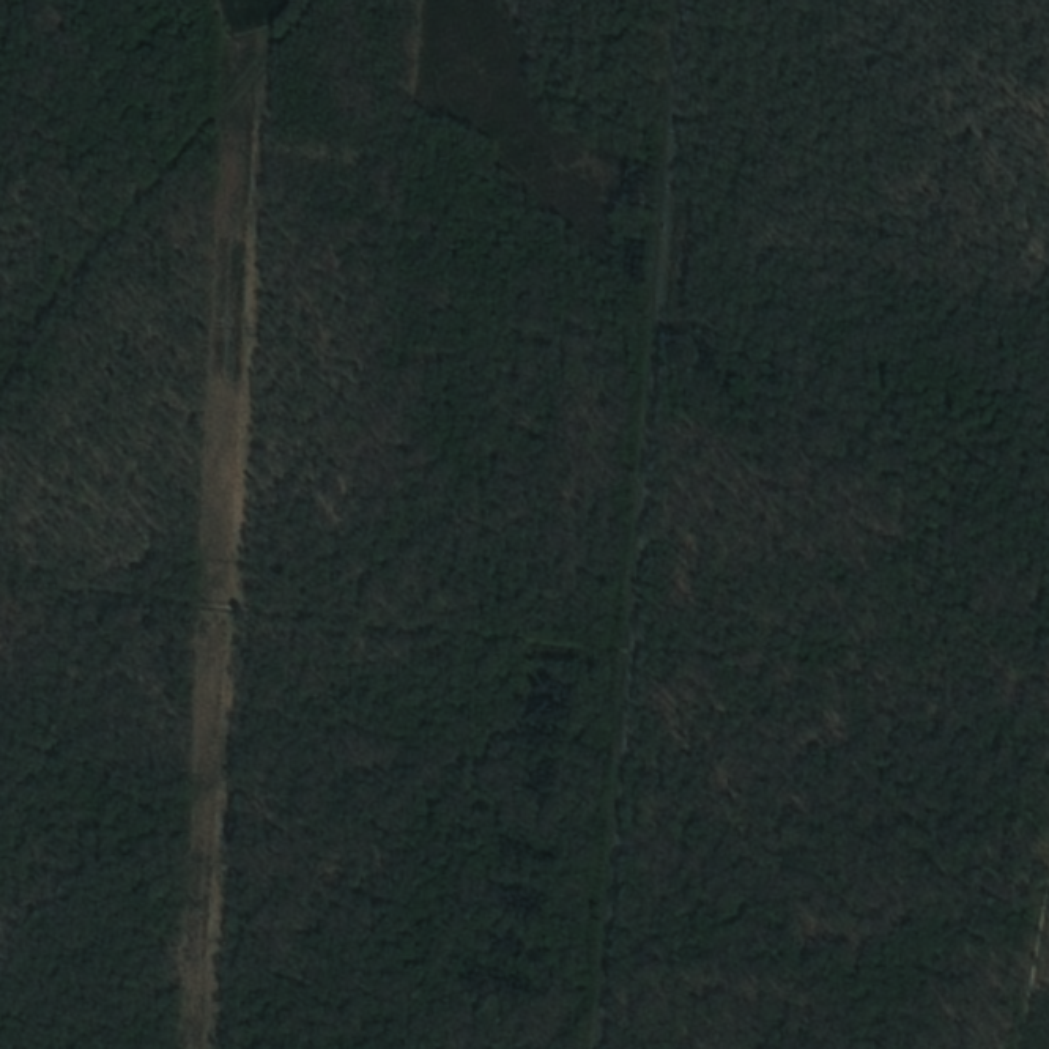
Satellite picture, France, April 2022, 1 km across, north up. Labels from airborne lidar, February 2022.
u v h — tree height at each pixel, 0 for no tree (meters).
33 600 24
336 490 25
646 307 13
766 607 29
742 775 29
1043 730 25
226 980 17
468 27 0
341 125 22
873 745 29
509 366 23
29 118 23
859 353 26
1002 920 27
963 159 24
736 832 28
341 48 23
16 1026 22
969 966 29
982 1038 30
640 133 29
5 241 23
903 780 29
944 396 24
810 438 28
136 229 22
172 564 23
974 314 24
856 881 26
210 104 19
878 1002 27
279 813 21
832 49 26
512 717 25
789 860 18
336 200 23
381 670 26
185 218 24
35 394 19
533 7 20
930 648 23
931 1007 27
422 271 24
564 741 24
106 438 26
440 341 25
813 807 30
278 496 14
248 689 22
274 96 16
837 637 28
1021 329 24
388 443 19
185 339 25
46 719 24
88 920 25
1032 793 31
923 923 26
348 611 22
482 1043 27
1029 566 17
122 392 19
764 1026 28
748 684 26
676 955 28
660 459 21
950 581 24
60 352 20
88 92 21
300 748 26
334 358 13
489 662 24
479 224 20
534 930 20
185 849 27
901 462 29
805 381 29
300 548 25
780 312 26
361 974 23
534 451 23
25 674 21
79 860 12
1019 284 27
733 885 28
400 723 28
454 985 24
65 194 24
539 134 0
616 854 0
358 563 25
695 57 25
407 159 25
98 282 26
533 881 26
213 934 0
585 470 25
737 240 26
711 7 29
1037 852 25
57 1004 26
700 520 25
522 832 18
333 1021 26
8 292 26
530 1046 27
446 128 24
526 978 26
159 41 21
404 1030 28
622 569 21
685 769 24
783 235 18
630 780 17
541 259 23
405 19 23
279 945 27
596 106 25
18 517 23
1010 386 24
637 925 23
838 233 23
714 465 29
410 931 24
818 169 24
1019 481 26
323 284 23
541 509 24
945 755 26
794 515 25
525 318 26
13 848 23
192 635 17
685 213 0
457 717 25
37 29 23
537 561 25
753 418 22
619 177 0
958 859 30
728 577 21
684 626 27
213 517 0
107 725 21
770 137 21
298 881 21
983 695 22
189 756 18
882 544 27
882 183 25
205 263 14
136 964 28
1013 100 26
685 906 25
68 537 25
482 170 24
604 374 27
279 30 16
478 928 25
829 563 24
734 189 18
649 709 19
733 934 27
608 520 24
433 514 20
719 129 20
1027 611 25
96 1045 25
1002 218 28
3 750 27
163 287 23
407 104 24
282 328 20
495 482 24
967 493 26
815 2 26
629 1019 28
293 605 20
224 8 0
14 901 18
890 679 23
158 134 25
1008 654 23
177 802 23
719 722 22
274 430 21
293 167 22
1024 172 22
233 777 19
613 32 18
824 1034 29
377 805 24
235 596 0
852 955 30
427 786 28
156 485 19
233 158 0
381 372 23
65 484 23
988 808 27
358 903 26
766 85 26
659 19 21
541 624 25
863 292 27
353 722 26
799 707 24
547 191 0
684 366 27
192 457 20
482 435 24
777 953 24
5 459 20
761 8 28
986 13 25
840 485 28
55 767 22
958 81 23
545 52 23
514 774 25
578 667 21
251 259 0
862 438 26
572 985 22
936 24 28
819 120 28
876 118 25
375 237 25
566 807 27
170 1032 22
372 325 25
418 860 24
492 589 24
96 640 28
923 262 26
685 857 28
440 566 26
